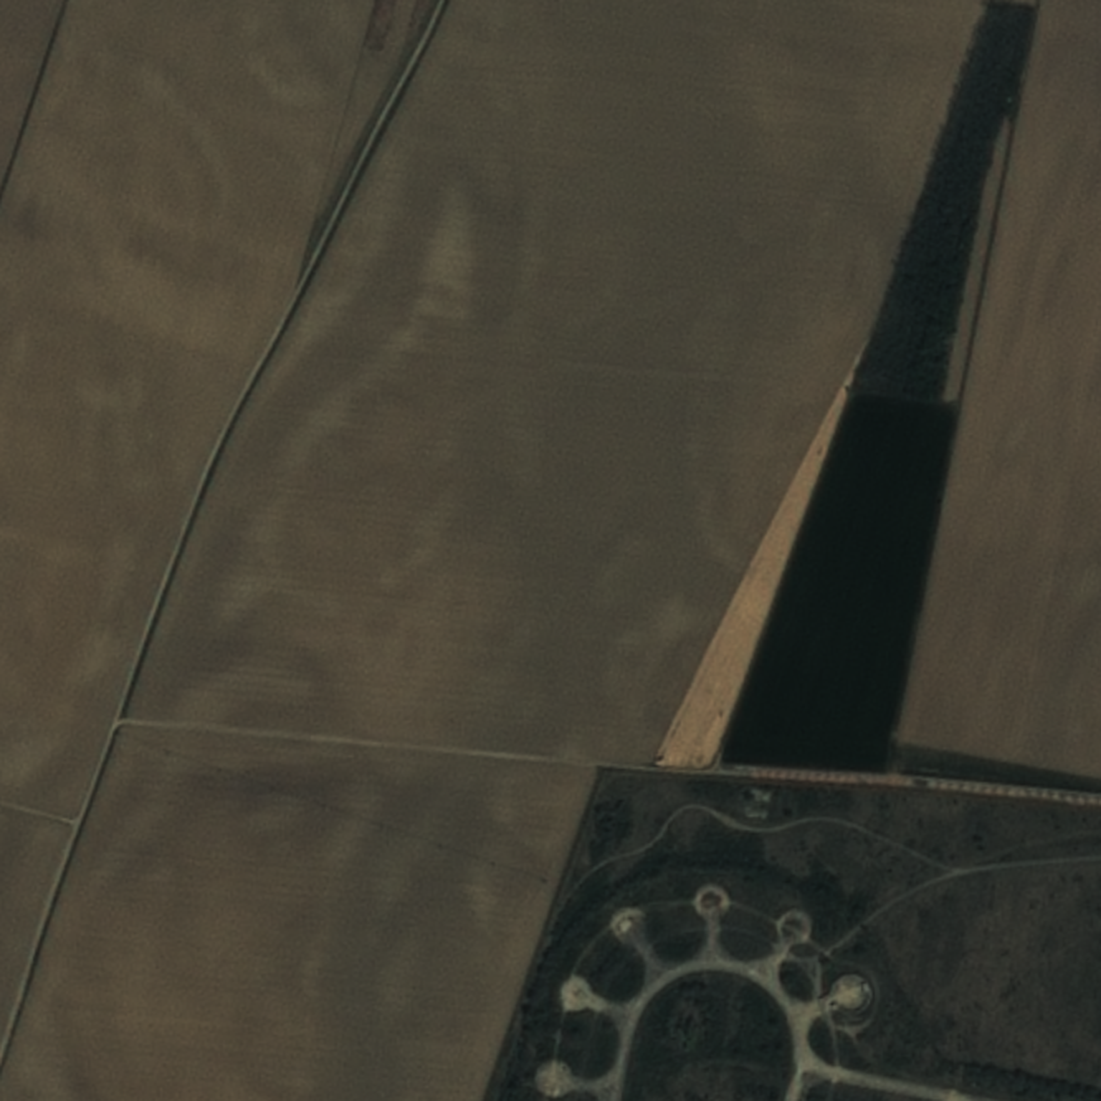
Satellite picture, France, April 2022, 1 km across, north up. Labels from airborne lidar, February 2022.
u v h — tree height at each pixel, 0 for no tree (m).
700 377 0
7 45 0
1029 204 0
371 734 0
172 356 0
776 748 0
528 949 0
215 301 0
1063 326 0
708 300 0
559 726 0
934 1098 0
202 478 0
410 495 0
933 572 0
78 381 0
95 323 0
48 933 0
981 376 0
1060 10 0
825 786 0
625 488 0
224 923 0
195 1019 0
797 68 0
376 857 0
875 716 0
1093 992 0
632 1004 0
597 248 0
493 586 0
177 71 0
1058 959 0
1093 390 0
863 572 0
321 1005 0
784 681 0
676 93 0
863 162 0
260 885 0
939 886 0
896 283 7
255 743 0
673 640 0
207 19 0
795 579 0
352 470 0
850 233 0
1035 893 0
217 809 0
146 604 0
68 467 0
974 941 0
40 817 0
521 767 0
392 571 0
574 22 0
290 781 0
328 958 0
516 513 0
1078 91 0
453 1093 0
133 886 0
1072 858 0
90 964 0
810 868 0
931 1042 0
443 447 0
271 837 0
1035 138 0
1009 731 0
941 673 0
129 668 0
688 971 0
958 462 0
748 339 0
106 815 0
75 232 0
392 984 0
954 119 12
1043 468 0
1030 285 0
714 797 0
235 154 0
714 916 0
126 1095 0
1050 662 0
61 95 0
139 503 0
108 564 0
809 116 0
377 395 0
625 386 0
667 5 0
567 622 0
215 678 0
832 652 0
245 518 0
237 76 0
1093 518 0
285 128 0
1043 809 0
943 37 0
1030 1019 0
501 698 0
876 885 0
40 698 0
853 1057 0
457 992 0
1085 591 0
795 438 0
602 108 0
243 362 0
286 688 0
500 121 0
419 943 0
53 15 0
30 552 0
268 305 0
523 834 0
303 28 0
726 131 0
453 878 0
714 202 0
